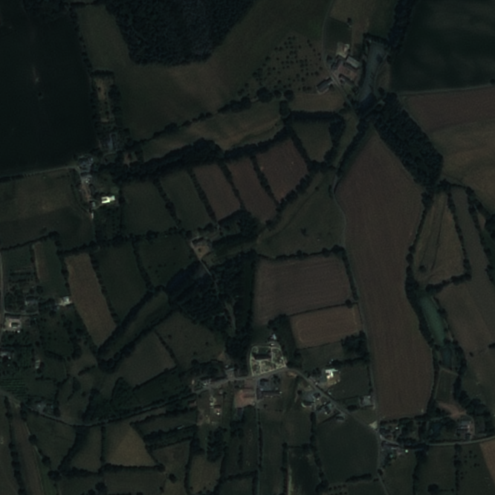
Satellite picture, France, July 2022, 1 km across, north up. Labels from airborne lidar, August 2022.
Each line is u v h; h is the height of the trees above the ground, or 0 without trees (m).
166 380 7
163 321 7
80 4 10
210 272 9
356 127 0
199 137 0
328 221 0
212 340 0
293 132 18
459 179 0
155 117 0
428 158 32
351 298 0
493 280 13
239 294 17
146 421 9
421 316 24
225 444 7
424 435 18
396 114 31
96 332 0
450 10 0
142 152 16
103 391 0
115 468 13
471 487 0
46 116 0
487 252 15
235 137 0
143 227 0
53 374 0
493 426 11
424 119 0
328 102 0
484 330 0
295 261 0
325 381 0
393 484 0
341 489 6
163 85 0
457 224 6
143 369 0
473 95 0
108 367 18
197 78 0
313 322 0
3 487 0
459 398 10
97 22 0
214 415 0
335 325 0
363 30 0
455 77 0
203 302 14
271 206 0
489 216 9
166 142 0
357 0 0
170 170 19
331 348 0
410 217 0
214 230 13
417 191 0
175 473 0
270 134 0
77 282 0
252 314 15
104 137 7
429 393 0
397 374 0
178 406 14
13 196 0
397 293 0
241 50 0
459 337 0
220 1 35
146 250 0
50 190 0
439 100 0
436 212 0
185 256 0
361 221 0
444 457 0
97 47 0
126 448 0
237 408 0
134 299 0
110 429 0
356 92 24
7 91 0
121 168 17
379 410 0
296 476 0
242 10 33
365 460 0
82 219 0
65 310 0
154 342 0
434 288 17
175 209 13
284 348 14
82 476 11
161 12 12
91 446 0
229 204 0
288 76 0
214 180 0
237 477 9
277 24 0
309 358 0
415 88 0
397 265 0
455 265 0
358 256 0
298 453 0
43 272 0
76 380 6
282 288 0
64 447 0
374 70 0
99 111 12
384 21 0
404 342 0
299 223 0
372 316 0
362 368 0
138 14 11
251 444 0
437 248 0
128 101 0
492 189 0
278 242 0
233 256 0
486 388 0
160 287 9
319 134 0
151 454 6
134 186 0
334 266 0
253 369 0
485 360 0
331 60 11
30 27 0
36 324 12
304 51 0
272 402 0
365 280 0
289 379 0
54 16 18
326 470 0
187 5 28
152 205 0
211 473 0
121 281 0
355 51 0
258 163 14
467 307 0
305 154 13
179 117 0
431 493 15
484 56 0
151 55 20
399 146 32
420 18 0
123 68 0
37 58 0
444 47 0
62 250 6
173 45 15
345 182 0
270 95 17
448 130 0
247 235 17
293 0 0
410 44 0
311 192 0
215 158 21
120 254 0
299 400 0
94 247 18
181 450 0
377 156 0
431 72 0
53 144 0
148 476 0
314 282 0
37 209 0
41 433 0
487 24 0
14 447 15
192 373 7
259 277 0
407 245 0
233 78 0
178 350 0
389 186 0
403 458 0
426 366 0
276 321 9
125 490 0
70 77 0
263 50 0
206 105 0
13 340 12
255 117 0
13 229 0
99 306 0
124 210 7
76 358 14
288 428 0
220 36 27
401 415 0
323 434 0
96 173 13
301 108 0
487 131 0
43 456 8
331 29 0
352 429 0
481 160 0
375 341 0
